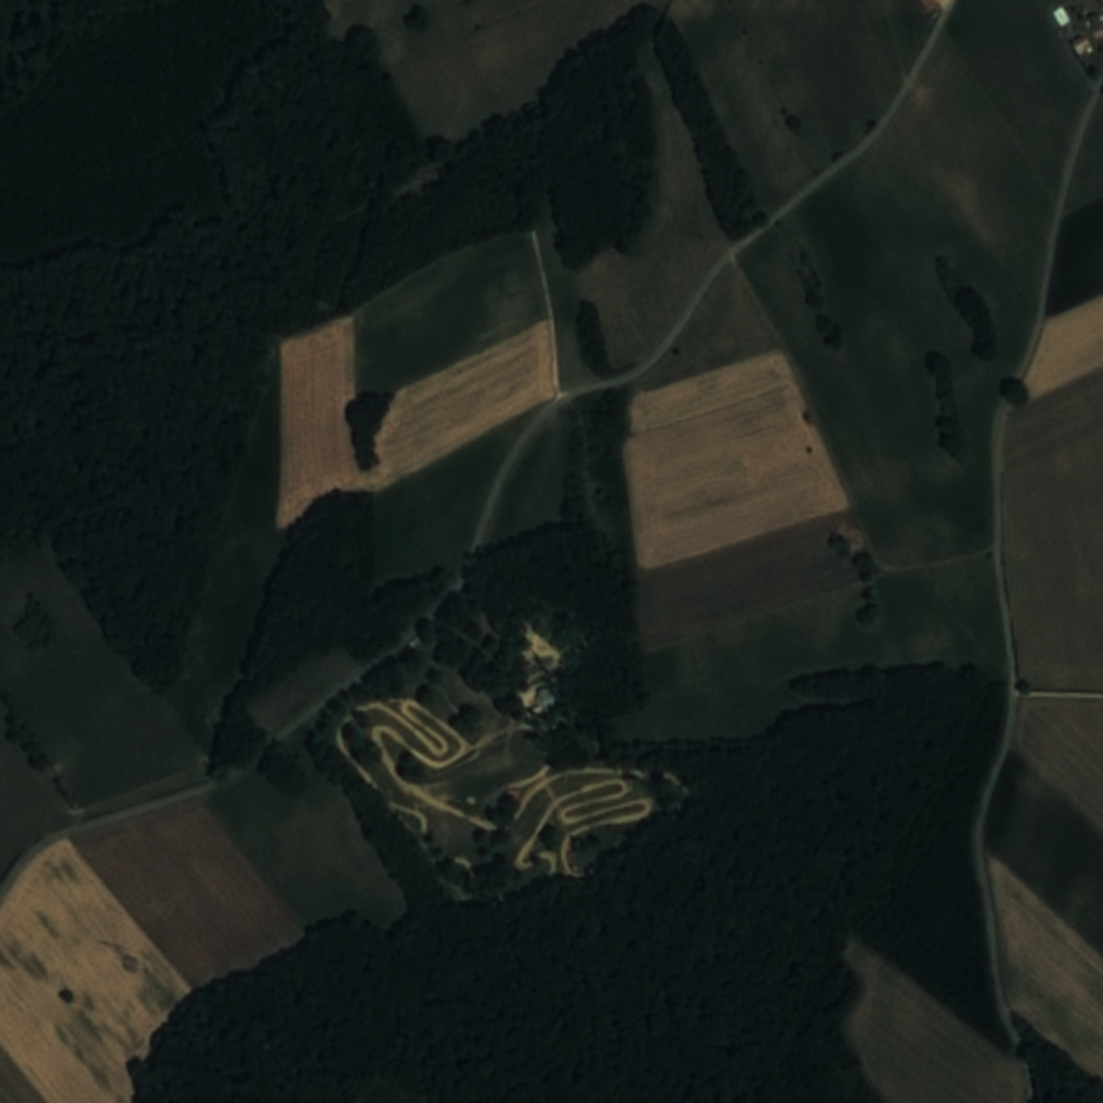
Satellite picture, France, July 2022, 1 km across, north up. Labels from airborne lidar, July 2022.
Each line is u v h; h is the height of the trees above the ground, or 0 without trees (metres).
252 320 23
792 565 0
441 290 0
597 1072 23
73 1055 0
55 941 0
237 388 24
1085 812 0
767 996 20
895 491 0
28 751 14
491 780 0
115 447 24
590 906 23
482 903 20
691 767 24
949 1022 0
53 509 22
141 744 0
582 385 0
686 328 0
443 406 0
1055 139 0
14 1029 0
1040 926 0
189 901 0
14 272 22
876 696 22
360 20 0
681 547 0
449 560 0
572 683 26
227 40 6
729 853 31
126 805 0
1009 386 17
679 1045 24
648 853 21
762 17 0
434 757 0
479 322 0
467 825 0
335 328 0
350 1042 27
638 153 22
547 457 0
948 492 0
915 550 0
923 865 7
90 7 20
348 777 17
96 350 28
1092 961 0
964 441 9
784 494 0
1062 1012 0
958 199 0
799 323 0
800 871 25
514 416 0
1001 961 0
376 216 10
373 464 10
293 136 26
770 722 0
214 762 11
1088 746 0
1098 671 0
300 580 23
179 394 24
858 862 22
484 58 0
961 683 18
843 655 0
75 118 7
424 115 0
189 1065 23
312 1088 26
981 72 0
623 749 10
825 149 0
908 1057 0
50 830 0
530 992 23
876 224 0
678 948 21
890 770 26
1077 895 0
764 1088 20
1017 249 0
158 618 22
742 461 0
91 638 0
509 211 13
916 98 0
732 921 26
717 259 0
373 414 16
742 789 28
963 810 6
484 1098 17
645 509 0
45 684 0
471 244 11
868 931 6
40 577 0
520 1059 24
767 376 0
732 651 0
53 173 8
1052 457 0
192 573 20
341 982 29
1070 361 0
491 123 11
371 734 0
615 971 20
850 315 0
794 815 26
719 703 0
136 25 7
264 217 12
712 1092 21
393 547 0
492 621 21
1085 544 0
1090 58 0
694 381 0
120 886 0
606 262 0
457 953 27
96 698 0
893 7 0
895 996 0
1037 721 0
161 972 0
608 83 16
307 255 21
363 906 0
